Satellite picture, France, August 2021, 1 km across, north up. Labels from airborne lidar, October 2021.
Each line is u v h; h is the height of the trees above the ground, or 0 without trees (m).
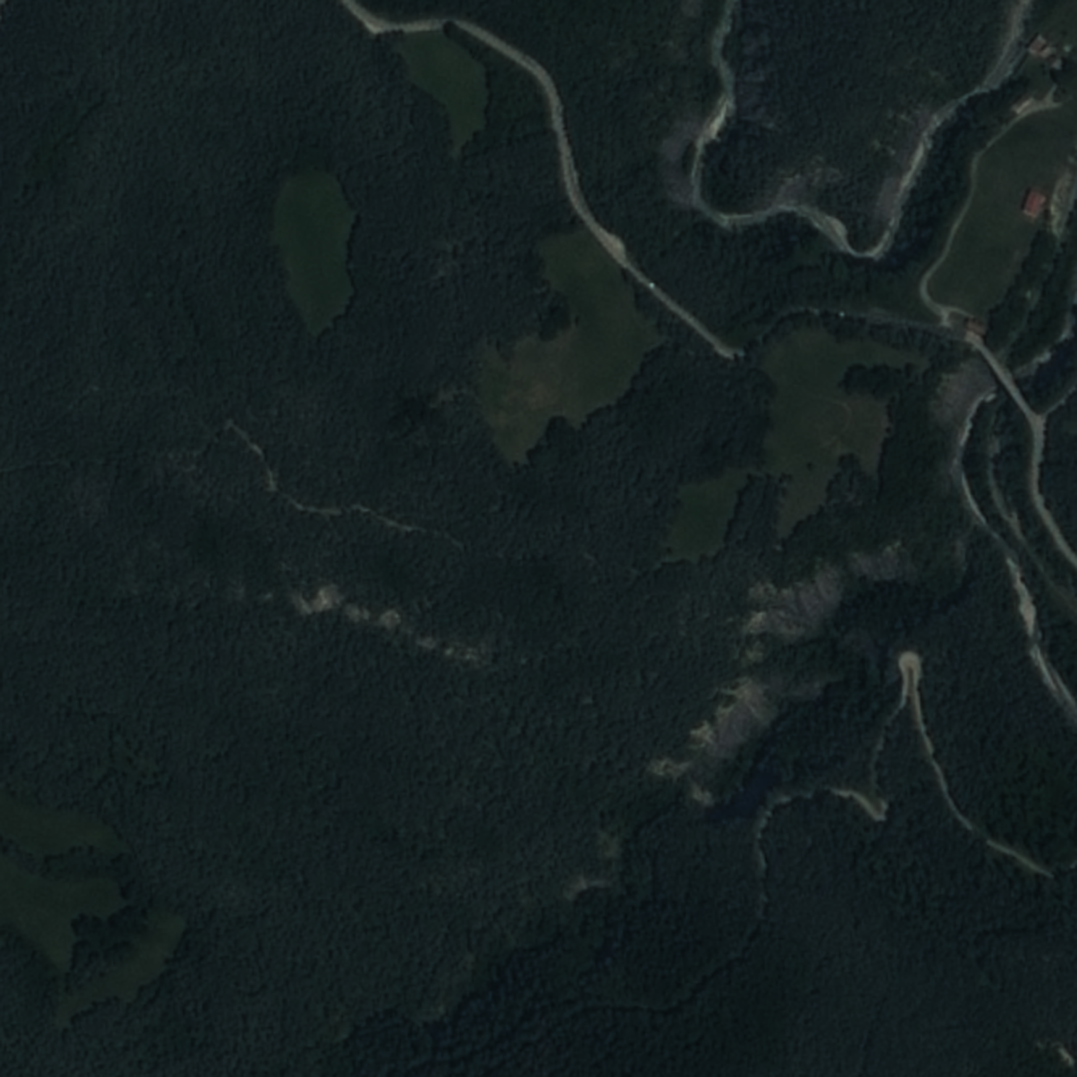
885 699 11
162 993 12
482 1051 19
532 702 11
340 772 10
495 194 11
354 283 10
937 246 11
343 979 10
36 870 12
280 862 11
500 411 0
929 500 8
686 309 8
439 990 8
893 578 7
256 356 11
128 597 7
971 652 22
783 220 6
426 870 12
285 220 0
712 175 6
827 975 11
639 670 12
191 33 11
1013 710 18
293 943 9
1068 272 6
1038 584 7
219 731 8
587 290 0
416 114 10
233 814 13
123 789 13
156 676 10
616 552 10
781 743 15
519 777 13
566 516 14
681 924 24
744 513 12
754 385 18
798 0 12
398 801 12
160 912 15
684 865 18
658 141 11
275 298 6
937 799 19
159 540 10
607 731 15
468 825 11
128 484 11
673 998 23
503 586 12
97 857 8
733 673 8
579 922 17
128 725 11
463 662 6
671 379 15
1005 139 0
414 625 9
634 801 7
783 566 6
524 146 15
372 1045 19
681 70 6
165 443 8
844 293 13
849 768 21
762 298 10
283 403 7
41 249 6
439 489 10
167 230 10
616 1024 20
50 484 7
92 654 7
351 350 10
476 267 11
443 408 10
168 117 6
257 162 13
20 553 12
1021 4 0
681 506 10
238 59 7
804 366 0
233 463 6
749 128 14
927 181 8
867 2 12
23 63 16
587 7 7
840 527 8
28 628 7
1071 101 0
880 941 13
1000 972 17
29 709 14
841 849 23
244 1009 7
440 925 9
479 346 11
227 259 9
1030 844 7
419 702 12
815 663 15
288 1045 13
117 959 16
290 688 7
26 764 12
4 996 11
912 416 17
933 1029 9
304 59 10
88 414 6
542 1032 25
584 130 10
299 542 7
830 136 6
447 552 8
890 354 0
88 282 6
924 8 14
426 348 10
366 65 7
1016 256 0
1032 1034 19
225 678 7
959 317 0
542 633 11
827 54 11
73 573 10
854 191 9
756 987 18
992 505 9
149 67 7
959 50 11
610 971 16
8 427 6
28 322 7
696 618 9
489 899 11
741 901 15
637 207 12
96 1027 14
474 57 7
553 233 12
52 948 0
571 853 12
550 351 0
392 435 10
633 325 0
